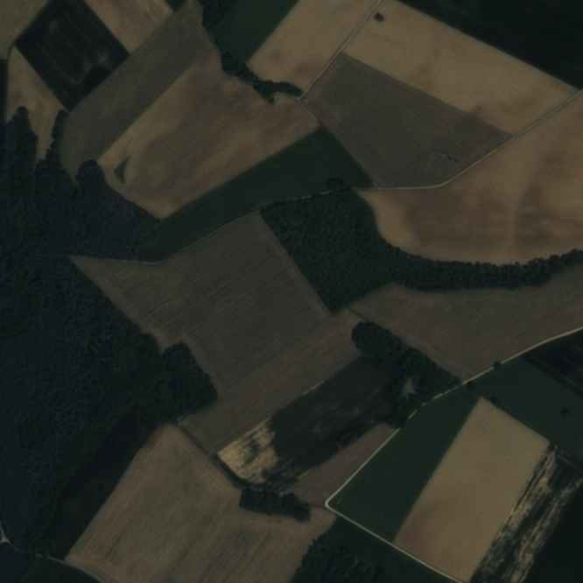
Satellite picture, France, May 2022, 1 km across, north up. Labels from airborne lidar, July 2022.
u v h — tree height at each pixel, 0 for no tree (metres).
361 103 0
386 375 0
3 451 19
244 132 0
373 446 0
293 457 0
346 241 8
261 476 0
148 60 0
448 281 10
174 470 0
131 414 0
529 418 0
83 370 24
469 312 0
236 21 0
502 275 16
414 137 0
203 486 0
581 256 17
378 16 10
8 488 18
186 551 0
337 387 0
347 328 0
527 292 0
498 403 14
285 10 0
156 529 0
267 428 0
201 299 0
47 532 0
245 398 0
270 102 12
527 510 0
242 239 0
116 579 0
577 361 0
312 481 0
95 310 24
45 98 0
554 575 0
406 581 0
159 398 23
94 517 0
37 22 0
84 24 0
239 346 0
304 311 0
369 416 0
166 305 0
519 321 0
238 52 0
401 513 0
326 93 0
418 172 0
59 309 23
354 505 0
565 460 0
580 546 0
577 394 0
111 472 0
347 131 0
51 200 21
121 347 17
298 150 0
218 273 0
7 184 23
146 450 0
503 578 0
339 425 0
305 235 7
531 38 0
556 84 0
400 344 17
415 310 0
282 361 0
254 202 0
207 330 0
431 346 0
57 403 25
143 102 0
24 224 25
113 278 0
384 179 0
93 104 0
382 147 0
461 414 0
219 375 0
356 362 0
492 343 0
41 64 0
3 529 15
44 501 23
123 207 15
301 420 0
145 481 0
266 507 20
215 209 0
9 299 25
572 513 0
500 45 0
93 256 18
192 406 21
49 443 21
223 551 0
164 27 0
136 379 24
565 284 0
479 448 0
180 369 23
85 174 23
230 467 0
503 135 0
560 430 0
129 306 0
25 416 16
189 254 0
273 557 0
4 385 20
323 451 0
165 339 0
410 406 20
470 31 0
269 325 0
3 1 0
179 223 0
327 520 0
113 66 0
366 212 14
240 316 0
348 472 0
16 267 20
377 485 0
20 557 11
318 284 10
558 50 0
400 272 8
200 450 0
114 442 0
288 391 0
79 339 22
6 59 0
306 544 0
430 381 20
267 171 0
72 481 0
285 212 8
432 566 0
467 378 0
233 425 0
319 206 10
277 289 0
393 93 0
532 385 0
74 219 19
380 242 12
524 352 0
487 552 0
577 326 0
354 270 8
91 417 26
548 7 0
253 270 0
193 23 0
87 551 0
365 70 0
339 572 18
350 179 0
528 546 0
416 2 0
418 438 0
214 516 0
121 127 0
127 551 0
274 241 0
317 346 0
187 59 0
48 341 19
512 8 0
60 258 20
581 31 0
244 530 0
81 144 0
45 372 23
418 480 0
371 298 0
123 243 20
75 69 0
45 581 0
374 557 0
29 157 24
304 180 0
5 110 0
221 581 0
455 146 0
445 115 0
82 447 23
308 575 0
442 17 0
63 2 0
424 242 0
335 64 0
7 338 21
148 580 0
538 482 0
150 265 0
